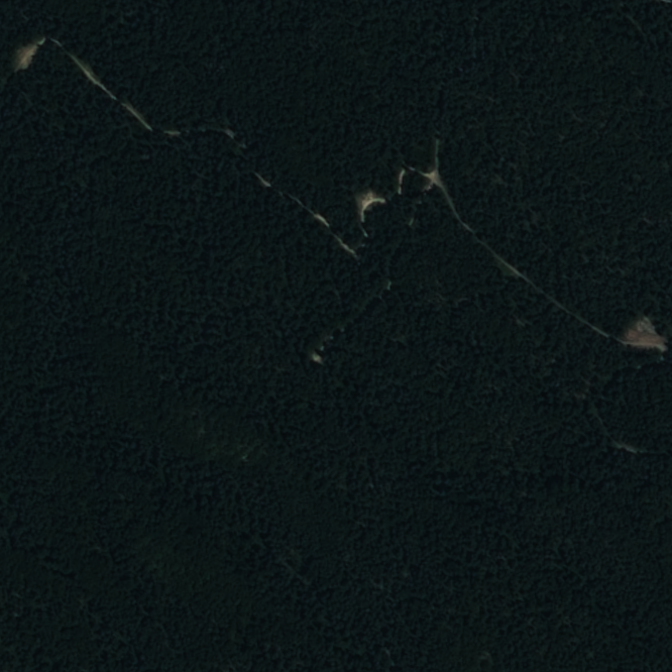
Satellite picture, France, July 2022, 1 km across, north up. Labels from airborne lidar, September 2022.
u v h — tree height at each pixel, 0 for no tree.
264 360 20
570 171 13
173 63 26
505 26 19
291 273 24
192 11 20
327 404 29
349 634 26
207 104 27
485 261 23
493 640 14
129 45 15
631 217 18
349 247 24
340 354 23
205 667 16
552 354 21
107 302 16
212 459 7
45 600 22
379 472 23
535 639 18
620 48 16
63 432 8
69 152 27
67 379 14
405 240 16
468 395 18
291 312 25
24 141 19
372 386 21
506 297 26
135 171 5
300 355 13
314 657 25
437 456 18
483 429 17
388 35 19
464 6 22
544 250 18
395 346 24
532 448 25
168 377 23
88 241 18
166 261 15
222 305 27
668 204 19
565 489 31
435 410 21
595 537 24
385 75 20
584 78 18
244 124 25
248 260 17
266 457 12
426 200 27
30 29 22
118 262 15
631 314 10
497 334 17
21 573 19
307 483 22
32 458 23
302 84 20
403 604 19
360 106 25
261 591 29
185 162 31
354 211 21
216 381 16
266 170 26
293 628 18
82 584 28
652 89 24
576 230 14
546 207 17
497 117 15
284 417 22
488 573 7
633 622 29
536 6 30
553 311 26
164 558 12
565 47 17
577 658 18
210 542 26
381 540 19
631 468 17
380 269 7
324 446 20
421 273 14
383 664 28
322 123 26
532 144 21
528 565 20
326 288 24
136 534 13
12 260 16
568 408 24
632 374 26
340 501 18
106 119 24
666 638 19
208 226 29
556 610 19
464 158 18
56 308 29
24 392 15
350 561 7
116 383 18
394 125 24
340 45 18
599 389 12
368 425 9
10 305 21
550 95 20
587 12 28
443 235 15
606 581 19
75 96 15
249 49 17
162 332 29
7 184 15
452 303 19
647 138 22
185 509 28
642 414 21
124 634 30
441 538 17
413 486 27
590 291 13
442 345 21
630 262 19
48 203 26
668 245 25
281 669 32
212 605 19
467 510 33
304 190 26
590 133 18
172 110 21
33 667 15
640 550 17
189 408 14
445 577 25
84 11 15
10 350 16
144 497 29
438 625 17
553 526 19
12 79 12
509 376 27
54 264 35
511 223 21
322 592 19
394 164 17
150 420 13
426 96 26
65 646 16
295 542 25
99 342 13
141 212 19
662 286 30
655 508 19
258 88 24
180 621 18
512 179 17
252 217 29
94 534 20
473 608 15
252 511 19
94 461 26
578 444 23
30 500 23
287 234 11
